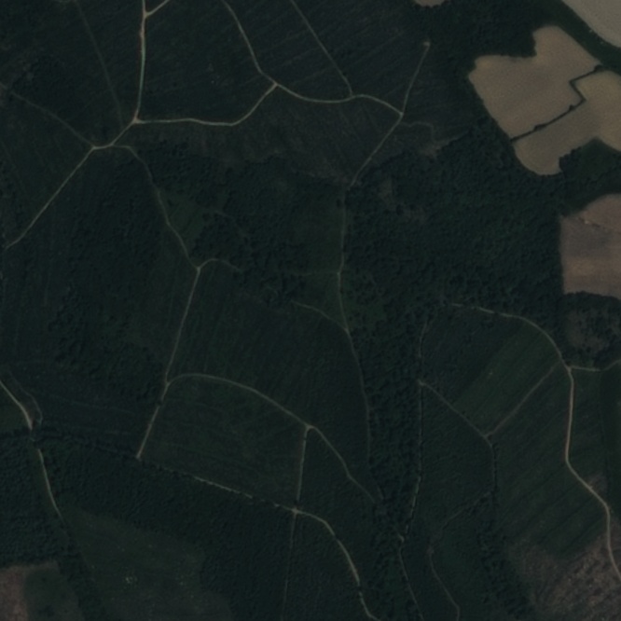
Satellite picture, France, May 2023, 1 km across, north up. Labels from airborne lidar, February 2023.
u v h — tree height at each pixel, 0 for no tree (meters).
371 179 15
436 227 14
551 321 13
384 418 21
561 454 0
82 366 11
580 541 0
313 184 10
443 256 7
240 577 7
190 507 9
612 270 0
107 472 11
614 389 0
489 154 15
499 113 0
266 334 0
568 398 0
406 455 15
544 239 11
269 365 0
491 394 0
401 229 13
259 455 0
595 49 0
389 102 0
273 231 10
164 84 0
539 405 0
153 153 8
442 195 19
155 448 0
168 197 0
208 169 18
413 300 9
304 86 0
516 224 13
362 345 8
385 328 11
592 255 0
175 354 0
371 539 19
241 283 8
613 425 0
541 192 17
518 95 0
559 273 12
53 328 16
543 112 0
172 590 0
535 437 0
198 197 15
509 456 0
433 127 0
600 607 15
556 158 0
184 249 0
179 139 0
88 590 14
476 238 16
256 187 8
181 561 0
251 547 8
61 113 10
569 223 0
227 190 12
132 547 0
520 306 20
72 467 10
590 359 9
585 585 15
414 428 9
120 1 0
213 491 10
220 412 0
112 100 0
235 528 10
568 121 0
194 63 0
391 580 12
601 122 0
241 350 0
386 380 10
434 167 8
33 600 0
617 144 0
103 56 0
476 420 0
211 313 0
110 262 21
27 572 10
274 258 19
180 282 0
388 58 0
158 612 0
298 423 0
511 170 16
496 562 8
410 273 8
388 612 7
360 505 5
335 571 6
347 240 12
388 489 25
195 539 7
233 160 0
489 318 7
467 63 18
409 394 19
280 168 9
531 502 0
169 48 0
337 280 0
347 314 0
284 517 7
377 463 5
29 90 10
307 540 6
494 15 12
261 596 9
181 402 0
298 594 6
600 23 0
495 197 15
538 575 14
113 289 17
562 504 0
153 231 13
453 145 13
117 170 8
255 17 0
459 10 18
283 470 0
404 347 17
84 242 10
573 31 0
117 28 0
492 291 21
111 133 19
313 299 0
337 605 6
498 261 12
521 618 16
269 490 0
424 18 22
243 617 6
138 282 15
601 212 0
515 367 0
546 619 13
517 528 0
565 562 13
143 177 11
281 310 18
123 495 9
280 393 0
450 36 22
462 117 0
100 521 0
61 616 0
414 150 10
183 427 0
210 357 0
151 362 15
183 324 0
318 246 0
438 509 6
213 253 13
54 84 10
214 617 0
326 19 0
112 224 13
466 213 9
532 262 15
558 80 0
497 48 16
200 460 0
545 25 0
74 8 0
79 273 15
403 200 9
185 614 0
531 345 0
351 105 0
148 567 0
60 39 0
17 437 22
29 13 8
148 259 10
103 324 11
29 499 20
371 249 14
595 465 0
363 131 0
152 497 10
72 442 14
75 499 11
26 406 0
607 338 7
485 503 16
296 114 0
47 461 13
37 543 16
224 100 0
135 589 0
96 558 0
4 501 18
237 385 0
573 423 0
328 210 0
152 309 0
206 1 0
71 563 14
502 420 0
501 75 0
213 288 0
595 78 0
